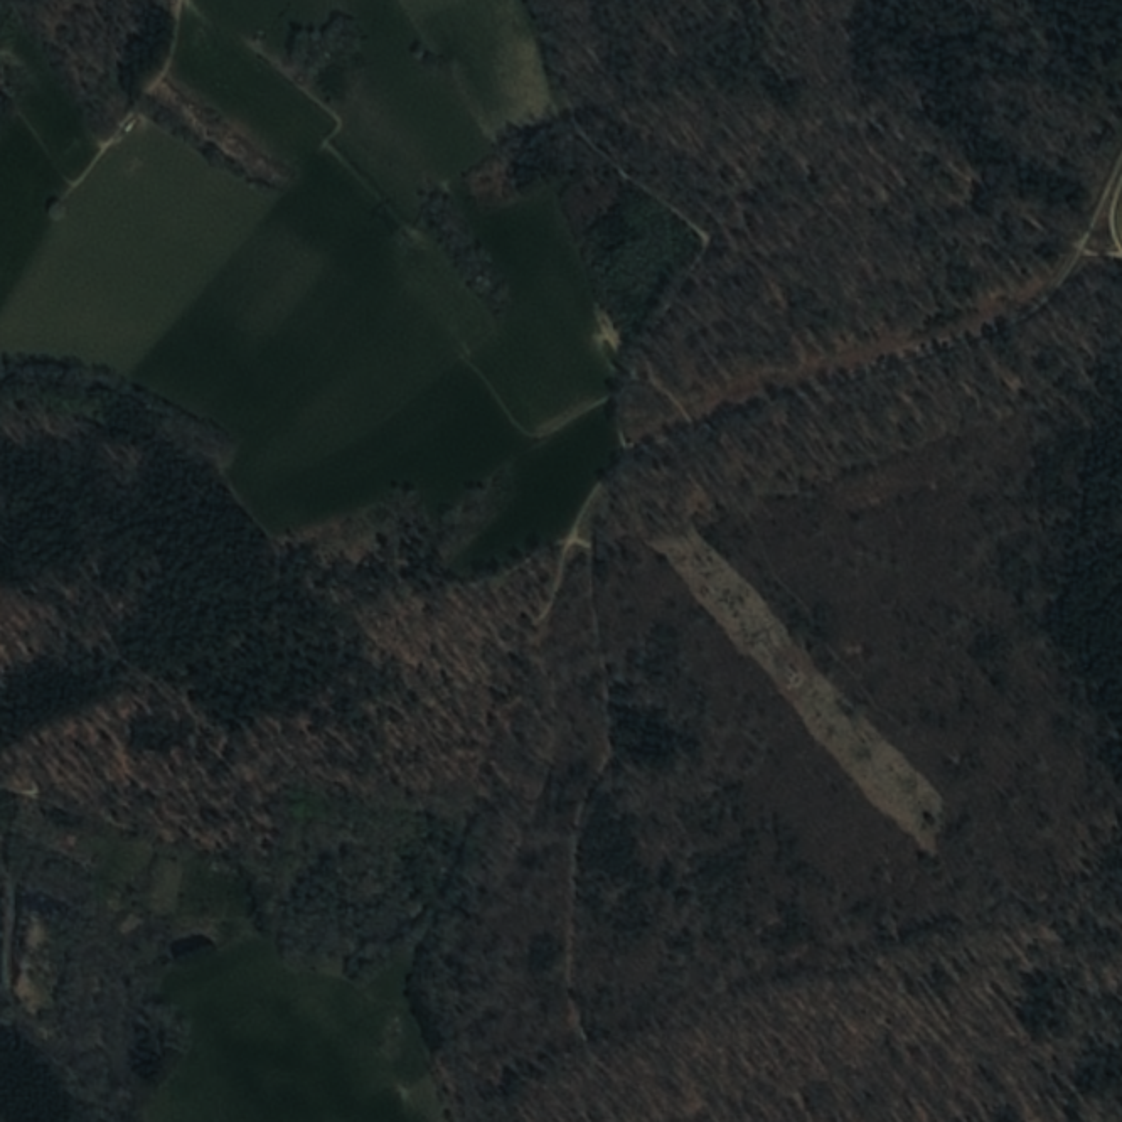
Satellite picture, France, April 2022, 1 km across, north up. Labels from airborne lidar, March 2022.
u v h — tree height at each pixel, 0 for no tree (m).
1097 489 24
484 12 0
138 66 24
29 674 27
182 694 30
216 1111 0
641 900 11
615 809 11
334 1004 0
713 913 9
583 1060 29
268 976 0
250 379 0
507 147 12
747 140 27
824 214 28
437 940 9
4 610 25
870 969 24
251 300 0
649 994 12
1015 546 13
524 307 0
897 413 25
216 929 0
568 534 0
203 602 27
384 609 23
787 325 30
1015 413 25
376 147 0
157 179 0
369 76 0
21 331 0
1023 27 6
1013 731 14
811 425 29
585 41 28
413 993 8
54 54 22
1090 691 10
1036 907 24
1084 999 24
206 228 0
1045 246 29
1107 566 24
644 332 9
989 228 29
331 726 26
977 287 25
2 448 25
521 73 0
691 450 27
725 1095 24
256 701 27
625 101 26
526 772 31
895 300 29
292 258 0
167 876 0
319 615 25
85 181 0
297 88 0
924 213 26
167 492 26
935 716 11
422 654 26
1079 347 27
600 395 0
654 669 14
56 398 18
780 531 13
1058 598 16
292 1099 0
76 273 0
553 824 15
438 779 25
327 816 19
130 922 0
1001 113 30
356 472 0
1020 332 23
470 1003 22
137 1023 15
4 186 0
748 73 28
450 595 29
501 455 0
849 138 25
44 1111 25
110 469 25
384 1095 0
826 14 29
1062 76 23
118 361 0
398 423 0
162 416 18
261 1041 0
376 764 24
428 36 0
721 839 12
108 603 20
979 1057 27
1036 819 12
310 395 0
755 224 8
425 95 0
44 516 26
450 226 18
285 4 0
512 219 0
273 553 24
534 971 13
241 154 0
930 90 30
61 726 32
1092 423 17
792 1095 30
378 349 0
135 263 0
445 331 0
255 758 25
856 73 29
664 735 21
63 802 32
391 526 0
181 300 0
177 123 18
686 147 26
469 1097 23
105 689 30
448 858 13
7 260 0
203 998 0
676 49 23
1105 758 13
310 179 0
